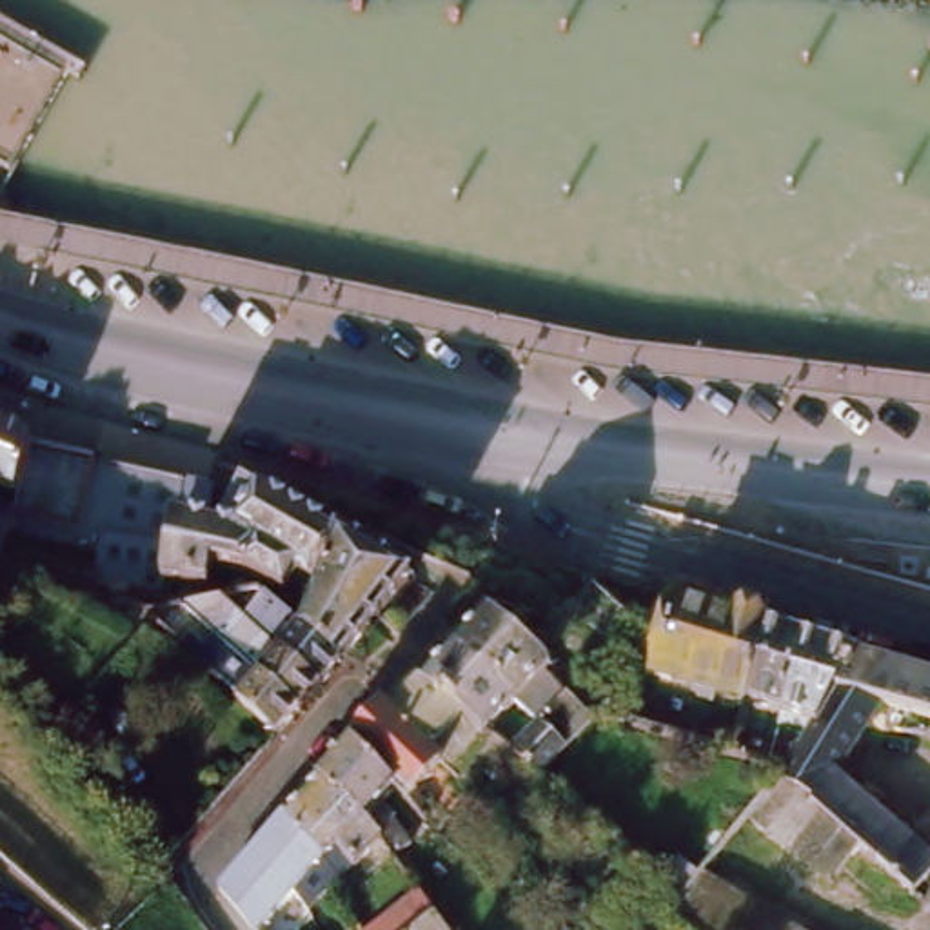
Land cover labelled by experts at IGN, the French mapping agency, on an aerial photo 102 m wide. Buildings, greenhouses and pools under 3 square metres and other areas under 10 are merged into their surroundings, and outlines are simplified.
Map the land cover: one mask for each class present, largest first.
<instances>
[{"label":"water","instance_id":"1","mask_svg":"<svg viewBox=\"0 0 930 930\"><path fill-rule=\"evenodd\" d=\"M0 11L62 44L84 62L80 76L58 84L47 94L29 131V142L18 149L11 185L0 193V207L51 222H73L254 258L269 265L309 269L323 276L411 291L541 323H563L610 338L708 345L930 374V0H0Z\"/></svg>","mask_w":930,"mask_h":930},{"label":"impervious surface","instance_id":"2","mask_svg":"<svg viewBox=\"0 0 930 930\"><path fill-rule=\"evenodd\" d=\"M84 62L62 44L0 11V193L11 185L18 149L29 142V131L47 94L58 84L80 76ZM33 385L44 396H54L51 418L62 425L54 440L84 447L102 440L105 458L113 465L138 461L193 476L196 498L214 505H236L233 469L243 465L265 432L283 440L294 458H305L309 447H320L331 461H349L378 476L411 480L425 494V501L443 505L450 512L465 509L472 519H483L487 538L494 541L490 552L505 549L545 563H563L567 574H578L596 592H614L621 603L650 610L658 603V589H665L668 581H679L687 592H748L770 603L777 614H796L799 621H828L846 636V643H872L930 661V374L708 345L610 338L563 323H541L411 291L323 276L309 269L269 265L254 258L73 222H51L0 207V411H11ZM876 730L861 737L850 756H839V767L854 781H861L886 810H894L915 839L930 846V701L897 694L890 687H876ZM748 828L737 814L723 828H708L705 854L687 868L690 886L712 872L745 890V905L730 915L734 930H930V897H923L912 915H897L890 926H883L872 915H861L865 890L886 886L890 879L886 872H876L872 865L846 854L836 865L821 868L806 890L792 883L781 861L759 865L752 857L727 850ZM171 883L182 890V897L193 905L207 930H236L233 919L222 912L214 890L200 879L189 846L185 839H174L163 850ZM0 930H109V923H87L76 908H69L54 890H47L25 865H18L0 846Z\"/></svg>","mask_w":930,"mask_h":930},{"label":"building","instance_id":"3","mask_svg":"<svg viewBox=\"0 0 930 930\"><path fill-rule=\"evenodd\" d=\"M54 396H44L33 385L11 411H0V556L11 559L25 578L36 567H44L58 585L73 567L87 570L98 559V570L109 589H142L145 603L131 621L149 625L160 636L182 643L203 665V676L225 665L229 683L236 687V705L265 727V745L207 803L189 846L200 879L214 890L222 912L233 919L236 930H341L334 919L320 912L327 883H338V876L349 865H367L371 872L385 865L389 854L425 843L432 832L447 828V792H469L465 777L476 756H487L505 745L519 756V770L530 763L541 767L563 748H570L589 727V705H581L570 687H563L552 676L545 643L498 599H483L480 589L469 581L465 567L432 552H367L345 534V523L316 498L294 490L276 476L251 472L243 465L233 469L236 505H214L196 498L193 476L138 461L113 465L105 458L102 440L84 447L54 440L62 425L51 418ZM647 668L654 676L639 683V708L650 719V730L672 727L676 734L705 745L719 759L774 763L781 777L756 788V796L737 814L748 828L788 854L796 839L806 832V825L817 817L825 828L836 832V839L850 846L846 854L872 865L876 872H886L890 879L897 883V890H915V897H930V846L915 839L894 810H886L861 781H854L839 767V756H850L861 737L876 730V687H890L897 694L930 701V661L872 643H846V636L828 621H799L796 614H777L770 603L748 592H687L679 581H668L665 589H658V603L650 610ZM676 915L690 930H734L730 915L745 905V890L712 872L690 886L687 868L676 872ZM356 930H450L425 897V890L396 894V905L378 915L371 923H360Z\"/></svg>","mask_w":930,"mask_h":930},{"label":"deciduous trees","instance_id":"4","mask_svg":"<svg viewBox=\"0 0 930 930\"><path fill-rule=\"evenodd\" d=\"M251 472L276 476L294 490L316 498L345 523V534L367 552H432L465 567L469 581L480 589L483 599H498L545 643L552 676L563 687H570L581 705H589V727L596 730V741L603 748L621 752H643L639 734L650 730V719L639 708V683L654 676L647 668L650 610L621 603L614 592H596L578 574H567L563 563H545L505 549L490 552L494 541L487 538L483 519H472L465 509L450 512L443 505L425 501V494L411 480L378 476L349 461H331L320 447H309L305 458H294L283 440L265 432L243 465ZM25 578L11 559L0 556V690L15 698V708L4 719L29 748V767L36 777V785L22 796L29 810H36L58 836H73L105 876L134 890L142 901H156L182 930H207L193 905L182 897V890L171 883L163 850L153 832V814L145 806L113 799V792L124 781V770L98 723V694L102 683L113 676V665L105 672H76L73 650L84 636L80 628L51 636L22 618L29 603L15 589ZM131 621L145 603L142 589H109L98 570V559L87 570L73 567L58 585ZM189 690L203 712L211 719L214 737L225 745L222 759L211 770H200L207 803L265 745V727L236 705V687L229 683L225 665L203 676L189 679ZM519 756L505 745L487 756H476L465 777L469 792H447V828L432 832L425 843L436 850V872H447L454 861H461L465 876L476 883L480 915L498 908L512 915L519 930H690L676 915V872L665 857L628 850L614 828L603 825V817L589 821V806L574 796L570 781L541 767L530 763L519 770ZM320 912L334 919L341 930H356L360 923H371L378 915L371 901V872L367 865H349L338 876V883H327Z\"/></svg>","mask_w":930,"mask_h":930},{"label":"herbaceous vegetation","instance_id":"5","mask_svg":"<svg viewBox=\"0 0 930 930\"><path fill-rule=\"evenodd\" d=\"M15 708V698L0 690V846L18 865H25L47 890H54L69 908H76L87 923H109V930H182L156 901H142L134 890L105 876L73 836H58L36 810H29L22 796L36 785V777L29 767V748L4 719ZM225 745L214 737L211 719L203 712L189 727L160 734L156 752L124 770V781L113 792V799L145 806L153 814V832L163 850L174 839H185L189 846L207 803L200 770H211L222 759ZM643 752H621L603 748L596 741V730L589 727L570 748H563L541 767L570 781L574 796L589 806V821L603 817V825L614 828L628 850L665 857L676 872L687 868L705 854L708 828H723L737 814L756 796V788L781 777L774 763L719 759L705 745L676 734L672 727L650 730L639 734ZM727 850L752 857L759 865L781 861L792 883L806 890L821 868L836 865L846 854L850 846L836 839V832L825 828L817 817L806 825V832L796 839L788 854L748 828ZM425 890V897L450 930H519L512 915L498 908L480 915L476 883L465 876L461 861H454L447 872H436V850L425 843L389 854L385 865L371 872V901L378 915L396 905V894ZM923 897H915V890H897V883L890 879L886 886L865 890L861 915H872L883 926H890L897 915H912Z\"/></svg>","mask_w":930,"mask_h":930},{"label":"brushwood","instance_id":"6","mask_svg":"<svg viewBox=\"0 0 930 930\"><path fill-rule=\"evenodd\" d=\"M29 603L22 618L51 636L80 628L84 636L73 650L76 672H105L113 665V676L102 683L98 694V723L124 770L156 752L160 734L189 727L203 712L189 690V679L203 676V665L182 643L160 636L149 625L131 621L58 585L44 567H36L25 578L15 589Z\"/></svg>","mask_w":930,"mask_h":930}]
</instances>
